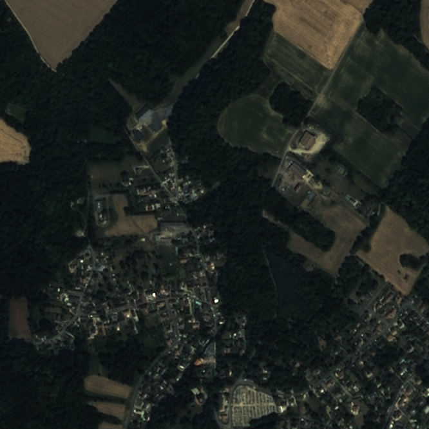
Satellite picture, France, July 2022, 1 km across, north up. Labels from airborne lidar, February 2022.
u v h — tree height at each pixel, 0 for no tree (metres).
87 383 0
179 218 0
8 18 18
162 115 0
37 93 14
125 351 14
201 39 23
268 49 0
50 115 10
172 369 9
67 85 11
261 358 14
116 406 0
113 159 9
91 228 11
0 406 15
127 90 10
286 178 0
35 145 17
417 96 0
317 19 0
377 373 0
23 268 30
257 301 7
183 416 0
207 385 9
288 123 19
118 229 0
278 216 9
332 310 24
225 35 12
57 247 20
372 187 0
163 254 0
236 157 7
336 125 0
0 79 13
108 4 0
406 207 18
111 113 16
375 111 9
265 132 0
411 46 16
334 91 0
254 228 16
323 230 14
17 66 8
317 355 10
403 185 14
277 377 14
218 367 6
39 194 21
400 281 0
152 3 24
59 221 15
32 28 0
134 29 22
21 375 23
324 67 0
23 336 0
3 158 0
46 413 17
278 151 0
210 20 21
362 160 0
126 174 11
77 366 21
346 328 15
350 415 9
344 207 0
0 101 17
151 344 0
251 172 16
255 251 15
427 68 11
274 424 26
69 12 0
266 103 0
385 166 0
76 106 18
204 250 8
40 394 18
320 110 0
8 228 22
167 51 23
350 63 0
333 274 0
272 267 13
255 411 0
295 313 8
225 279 21
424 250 0
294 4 0
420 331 6
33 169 22
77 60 11
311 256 0
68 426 15
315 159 0
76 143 22
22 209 7
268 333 10
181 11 19
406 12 19
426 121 0
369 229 10
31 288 21
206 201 22
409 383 0
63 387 20
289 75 0
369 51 0
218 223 22
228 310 14
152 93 15
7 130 0
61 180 18
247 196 14
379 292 0
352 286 19
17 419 18
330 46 0
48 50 0
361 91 0
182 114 23
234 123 0
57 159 22
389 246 0
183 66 24
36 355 13
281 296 14
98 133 0
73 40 0
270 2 0
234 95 7
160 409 16
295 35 0
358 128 0
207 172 15
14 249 24
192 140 13
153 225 0
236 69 23
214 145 20
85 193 9
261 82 11
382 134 10
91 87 20
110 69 12
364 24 0
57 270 7
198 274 0
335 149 0
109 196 0
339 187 0
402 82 0
